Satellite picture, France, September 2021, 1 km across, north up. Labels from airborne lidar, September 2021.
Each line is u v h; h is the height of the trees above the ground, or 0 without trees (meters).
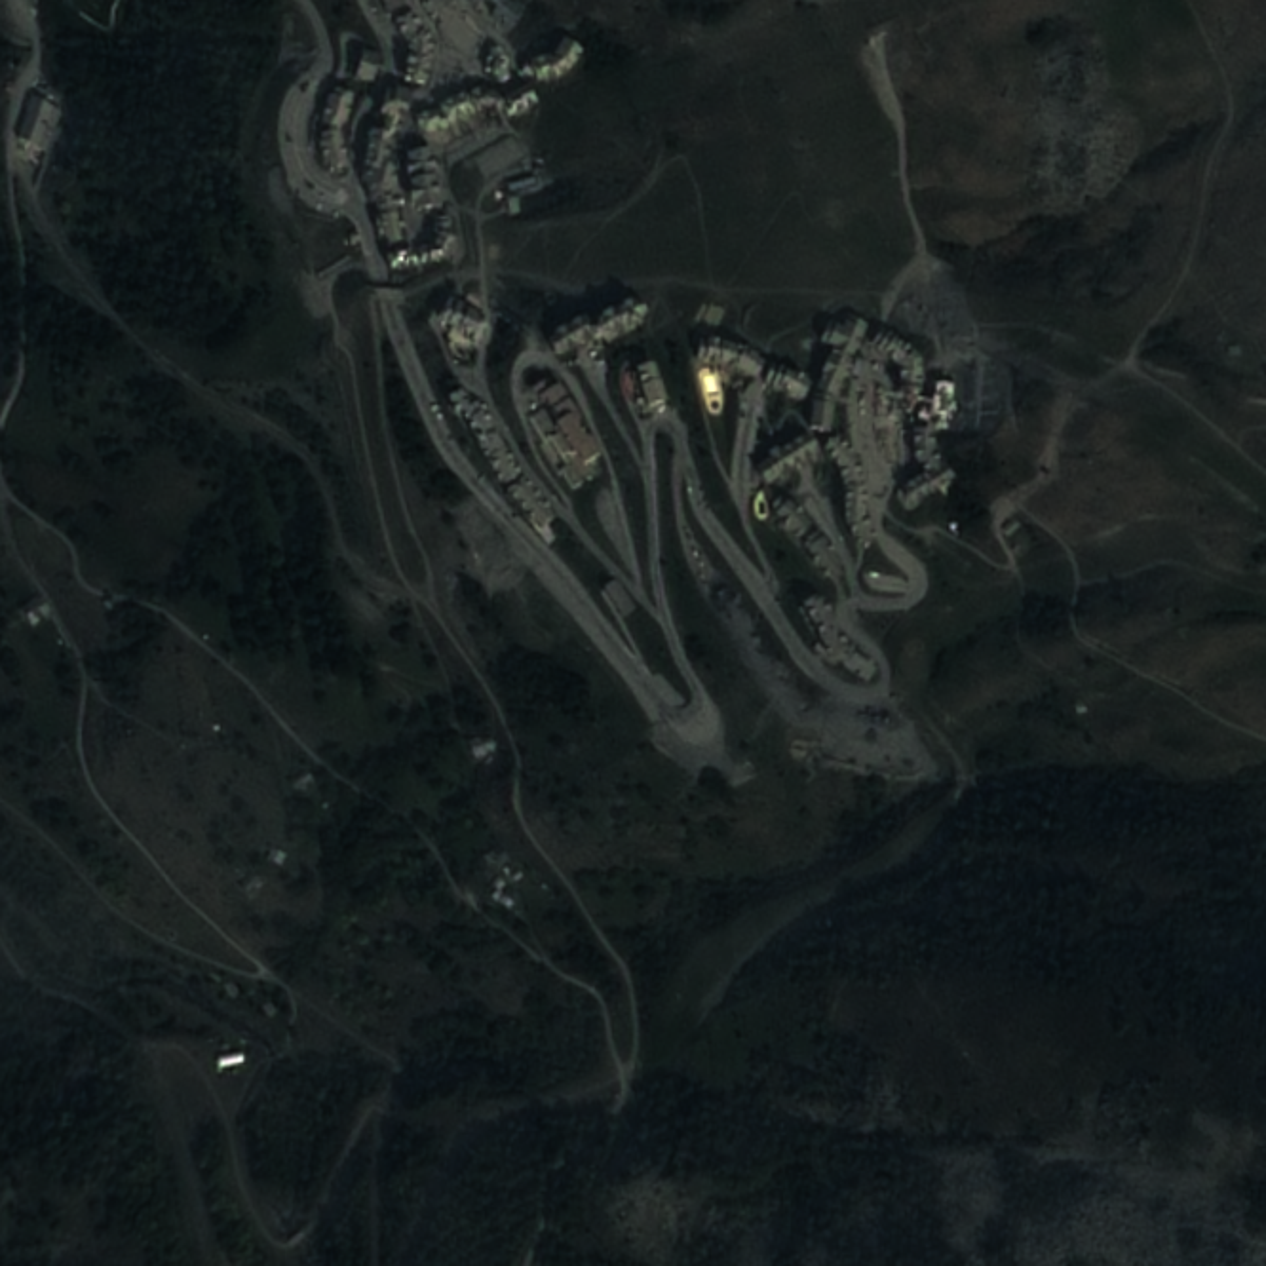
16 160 0
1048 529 0
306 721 0
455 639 0
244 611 10
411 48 0
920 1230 8
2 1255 10
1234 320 0
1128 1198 0
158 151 8
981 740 0
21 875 8
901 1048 0
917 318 0
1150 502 0
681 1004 0
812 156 0
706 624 0
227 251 11
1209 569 0
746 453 0
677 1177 7
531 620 0
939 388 0
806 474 0
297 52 0
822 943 7
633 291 0
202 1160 12
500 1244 15
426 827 10
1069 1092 0
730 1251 6
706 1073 0
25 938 8
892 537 0
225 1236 13
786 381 0
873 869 0
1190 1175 0
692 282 0
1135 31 0
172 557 0
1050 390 0
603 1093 0
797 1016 0
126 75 14
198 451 11
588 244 0
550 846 0
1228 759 0
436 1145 6
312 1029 0
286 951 8
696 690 0
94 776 0
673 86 0
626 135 0
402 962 0
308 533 14
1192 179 0
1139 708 0
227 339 13
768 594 0
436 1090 9
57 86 12
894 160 0
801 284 0
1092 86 0
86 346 12
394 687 0
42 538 0
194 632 0
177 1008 0
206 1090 0
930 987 0
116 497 0
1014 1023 0
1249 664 0
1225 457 0
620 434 0
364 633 0
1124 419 0
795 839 0
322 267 0
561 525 7
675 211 0
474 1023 15
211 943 0
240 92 6
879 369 0
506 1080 11
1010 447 0
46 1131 13
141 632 9
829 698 0
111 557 0
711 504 0
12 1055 7
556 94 0
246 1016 0
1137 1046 0
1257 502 0
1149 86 0
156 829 0
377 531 0
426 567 0
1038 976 6
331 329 0
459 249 0
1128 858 0
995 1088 0
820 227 0
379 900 10
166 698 0
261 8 12
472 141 0
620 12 0
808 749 0
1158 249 0
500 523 0
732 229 0
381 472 0
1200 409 0
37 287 12
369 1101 0
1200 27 0
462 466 0
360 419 0
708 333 0
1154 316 0
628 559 0
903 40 0
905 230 0
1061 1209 0
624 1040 0
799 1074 7
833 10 0
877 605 0
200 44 9
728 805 6
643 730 0
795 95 0
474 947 9
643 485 0
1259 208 0
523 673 13
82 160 11
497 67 0
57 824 9
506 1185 17
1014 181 0
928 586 0
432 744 11
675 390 0
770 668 0
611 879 10
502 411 0
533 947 0
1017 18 0
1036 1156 0
